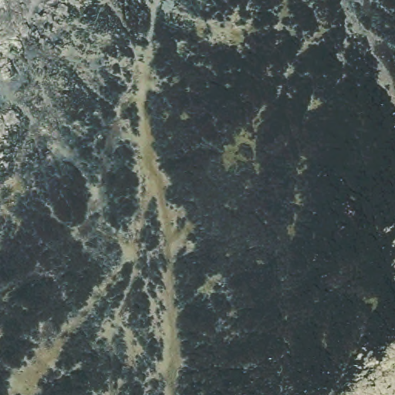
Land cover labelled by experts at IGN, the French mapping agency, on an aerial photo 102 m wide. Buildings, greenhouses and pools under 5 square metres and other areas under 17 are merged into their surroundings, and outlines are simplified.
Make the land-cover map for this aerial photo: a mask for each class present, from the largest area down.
<instances>
[{"label":"herbaceous vegetation","instance_id":"1","mask_svg":"<svg viewBox=\"0 0 395 395\"><path fill-rule=\"evenodd\" d=\"M91 3L86 8L69 5L68 20H79L96 26L94 32L99 34L110 32L111 42L102 51L114 59L133 57L134 52L130 49V43L142 48L148 45L150 8L145 5L147 0H89ZM238 6V25H245L247 19L253 20L250 32L242 31L244 40L250 48L238 52L233 45L204 42L197 37L196 29L187 34L174 26L159 25L156 22L153 39L159 42L160 48L153 52L150 66L156 71L157 76L167 77V83H162L159 91H147L145 97V113L153 136L151 147L159 157L160 170H164L170 177V185L165 188V199L177 207H184L188 221L193 224V231L187 236L194 244L193 252L188 253L187 248H179L176 256L168 255L165 258L162 248L157 245L160 224L157 221L156 199L153 197L145 213L147 224L143 225L140 238L136 242L137 259L123 265L120 272L122 281L116 285H108L106 295L102 296L99 306H94L91 316L71 332L68 343L63 344L56 367L49 369L48 373L40 378V393L35 395H164V378L150 381L145 373L147 369H150V372L156 370L154 361H162L164 341L156 339L151 332L148 299L156 298V289L164 290L162 275L165 270L174 275V307L179 312L176 321L177 336L185 361L173 395H341L352 390L349 384H355L356 373H360L356 366L364 364L361 360H356L360 353L358 349L367 347L373 352L375 360H383L389 344H395V102L387 96L384 88L378 85V66L375 59L370 56L366 37L360 34H346V15L339 0H214V6L208 11H201L197 17L224 22V15L233 14V9ZM318 28H326L327 31L321 35V43L310 45L302 56H298L296 51L304 42L302 31L313 34ZM261 103H267V111L262 116L256 143L261 171L255 174L250 164H241L238 176L227 171H218L216 167L224 151V145L235 142V137L241 131V123L253 116ZM213 275H221L225 281L221 285H214L211 295L199 293L197 289L205 284V279ZM116 307H119L120 315L130 312L128 327L134 338L139 339L143 349L142 353L136 356V361L130 360L127 356V346L123 339L125 333L122 329L117 330L113 338L100 339L97 336V332L102 329L103 319L114 318ZM364 5H355L356 17L360 23L373 34L380 35L381 39L392 40L395 43V0H363ZM100 74L105 80V85L100 86L103 94L97 99L96 94L80 79L73 65L69 66L68 73H63L62 76L68 85V91L62 89L60 97L51 94L49 99L54 108L62 110L68 122L79 120L83 127H88V133L83 134L69 147V156L66 159L59 157L52 160L45 173H35L37 191L17 194V205L12 213L22 221L19 235L11 239L3 238L0 250V395H6L12 370L25 366L23 358H32L34 349L39 347V322H51L52 329L59 332L63 322L74 318L77 310L85 306L94 285H100L105 278L100 273L99 264L89 258L88 253L83 252L82 244L71 236L74 225L80 224L85 218L86 204L91 197L86 184L99 187L100 194L105 197L108 204L105 219L111 222L113 227L125 231L131 224L134 211L139 208L136 193L139 179L133 171L134 151L130 148V140H122L120 137V134L127 131L125 127H119V123L114 119V108L127 86L119 85V77L111 76L102 68ZM122 117L130 120L131 131L137 136L139 116L136 103L133 102L127 108H123Z\"/></svg>","mask_w":395,"mask_h":395},{"label":"bare soil","instance_id":"2","mask_svg":"<svg viewBox=\"0 0 395 395\"><path fill-rule=\"evenodd\" d=\"M91 3L89 0H0V250L3 238L11 239L19 235L22 221L12 213L17 205V194L37 191L35 173H45L52 160L59 157L66 159L69 156V147L83 134L88 133V127H83L79 120L68 122L62 110L54 108L49 99L51 94L60 97L62 89L68 91V85L62 76L63 73H68L69 66L73 65L80 79L96 94L97 99L103 94L100 86L105 85V80L100 74L102 68L111 76L119 77V85L127 86L114 108V119L119 123V127H125L127 131L120 134V137L122 140H130V148L134 151L133 171L139 179L136 193L139 208L134 211L131 224L125 231L113 227L111 222L105 219L108 204L105 197L100 194L99 187L86 184L91 197L86 204L85 218L80 224L74 225L71 236L82 244L83 252L88 253L89 258L99 264L100 273L105 278L100 285H94L85 306L77 310L74 318L63 322L59 332L52 329L51 322H39V347L34 349L32 358H23L25 366L12 370L6 395H35L40 393V378L48 373L49 369L56 367L63 344L68 343L71 332L91 316L94 306H99L102 296L106 295L108 285H116L122 281L120 272L123 265L137 259L136 242L140 238L143 225L147 224L145 213L153 197L156 199L157 221L160 224L157 245L162 248L165 258L168 255L176 256L179 248H187L188 253L193 252L194 244L187 236L193 231V224L188 221L184 207H177L165 199V188L170 185V177L164 170H160L159 157L151 147L153 136L145 113V97L147 91H159L162 83H167V77L157 76L156 71L150 66L153 52L160 48L159 42L153 39L156 22L159 25L174 26L187 34L196 29L197 37L204 42L233 45L238 52L250 48L244 40L242 31L250 32L253 20L247 19L245 25H238V6L233 9V14L224 15V22L197 17L201 11H208L214 6V0H147L145 5L150 8L148 45L142 48L130 43V49L134 52L133 57L114 59L102 51L111 42L110 32L99 34L94 32L96 26L79 20H68L69 5L86 8ZM133 102L136 103L139 116L137 136L131 131L130 120L122 117L123 108H127ZM346 15V34H360L366 37L370 56L375 59L378 66V85L384 88L387 96L395 102V43L392 40L381 39L380 35L373 34L360 23L356 17L355 5H364L363 0H339ZM327 31L326 28H318L313 34L302 31L304 42L296 51L298 56H302L310 45L321 43V35ZM267 111V103H261L253 116L241 123V131L235 137V142L224 145V151L216 167L218 171H227L238 176L241 164H250L255 174L261 171L256 143L262 116ZM164 290L156 289V298L148 299L151 332L156 339L164 341L162 361H154L156 370L150 372V369H147L145 373L150 381L164 378V395H173L185 361L177 336L176 321L179 312L174 307V275L165 270L162 275ZM225 281L221 275H213L205 279V284L197 289L199 293L211 295L214 285H221ZM130 312L120 315L119 307H116L114 318L103 319L102 329L97 332V336L100 339L113 338L117 330L122 329L125 333L123 339L127 346V356L130 360L136 361V356L142 353L143 349L139 339L134 338L128 327ZM360 353L356 360H361L364 364L356 366L360 373H356L355 384H349L352 390L341 395H395V344H389L383 360H375L373 352L367 347L358 349Z\"/></svg>","mask_w":395,"mask_h":395}]
</instances>
